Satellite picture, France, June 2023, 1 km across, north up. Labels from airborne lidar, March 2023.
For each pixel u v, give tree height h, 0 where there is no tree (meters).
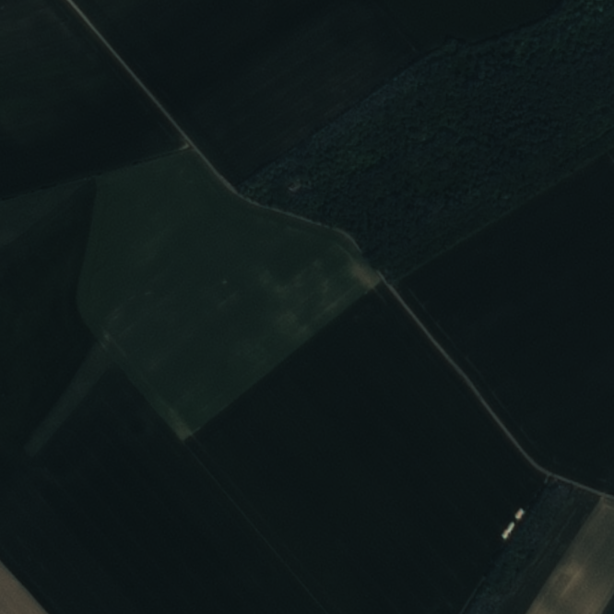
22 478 0
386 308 0
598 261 0
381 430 0
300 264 0
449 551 0
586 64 17
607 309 0
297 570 0
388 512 0
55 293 0
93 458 0
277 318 0
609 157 0
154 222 0
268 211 0
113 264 0
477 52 6
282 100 0
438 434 0
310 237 0
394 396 0
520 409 0
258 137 0
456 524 0
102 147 0
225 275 0
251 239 0
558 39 18
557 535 0
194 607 0
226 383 0
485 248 0
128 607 0
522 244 0
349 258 0
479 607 12
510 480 0
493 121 18
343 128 15
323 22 0
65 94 0
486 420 0
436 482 0
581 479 0
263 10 0
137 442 0
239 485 0
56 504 0
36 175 0
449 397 0
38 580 0
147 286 0
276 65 0
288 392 0
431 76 20
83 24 0
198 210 0
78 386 0
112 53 0
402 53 0
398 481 0
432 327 0
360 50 0
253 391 0
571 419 0
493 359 0
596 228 0
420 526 0
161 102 0
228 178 0
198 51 0
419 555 0
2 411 0
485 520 0
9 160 0
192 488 0
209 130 0
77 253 0
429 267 0
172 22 0
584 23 17
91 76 0
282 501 0
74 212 0
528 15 0
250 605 0
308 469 0
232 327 0
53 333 0
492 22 0
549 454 0
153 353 0
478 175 17
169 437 0
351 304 0
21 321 0
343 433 0
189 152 0
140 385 0
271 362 0
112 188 0
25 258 0
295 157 16
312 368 0
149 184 0
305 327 0
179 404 0
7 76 0
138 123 0
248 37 0
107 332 0
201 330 0
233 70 0
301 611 0
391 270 10
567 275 0
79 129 0
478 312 0
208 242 0
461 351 0
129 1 0
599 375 0
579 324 0
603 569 0
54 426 0
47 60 0
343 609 0
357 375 0
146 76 0
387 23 0
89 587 0
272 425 0
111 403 0
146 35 0
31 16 0
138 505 0
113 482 0
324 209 15
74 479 0
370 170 20
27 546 0
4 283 0
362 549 0
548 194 0
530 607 0
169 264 0
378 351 0
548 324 0
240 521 0
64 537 0
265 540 0
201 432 0
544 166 20
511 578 13
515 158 23
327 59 0
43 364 0
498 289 0
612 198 0
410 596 0
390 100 18
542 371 0
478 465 0
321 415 0
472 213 11
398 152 20
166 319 0
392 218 16
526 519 12
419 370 0
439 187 7
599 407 0
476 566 0
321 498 0
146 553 0
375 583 0
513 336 0
